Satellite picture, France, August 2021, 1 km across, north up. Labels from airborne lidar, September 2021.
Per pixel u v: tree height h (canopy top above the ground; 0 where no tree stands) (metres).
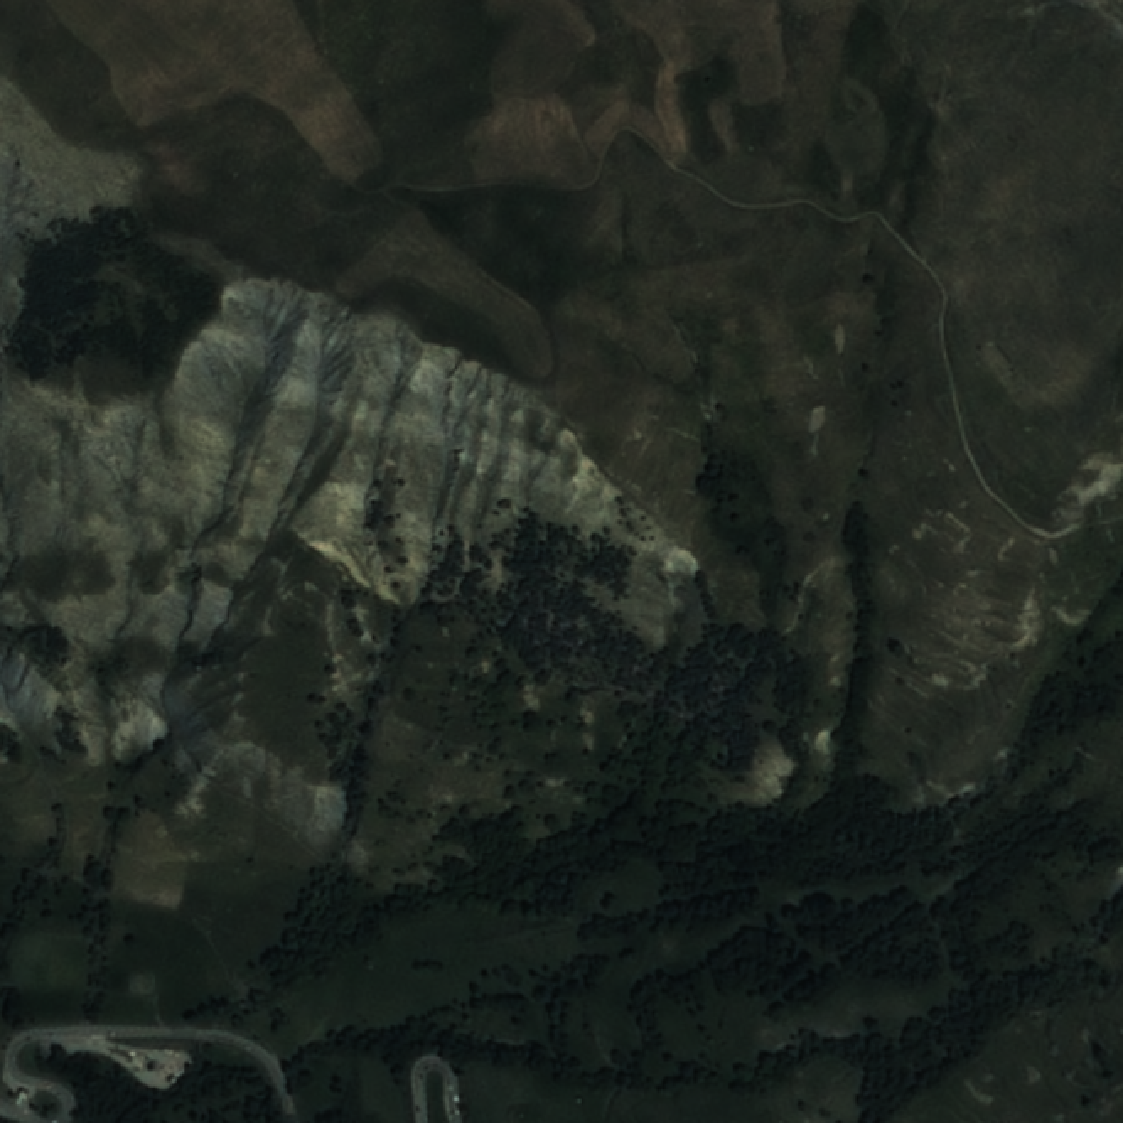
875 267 0
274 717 0
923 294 0
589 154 0
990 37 0
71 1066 7
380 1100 0
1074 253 0
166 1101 13
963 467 0
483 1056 14
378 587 0
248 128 0
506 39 0
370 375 0
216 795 0
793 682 9
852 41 0
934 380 0
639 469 0
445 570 10
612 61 0
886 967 12
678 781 10
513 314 0
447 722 6
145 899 0
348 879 9
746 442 0
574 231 0
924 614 0
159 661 0
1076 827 10
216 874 0
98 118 0
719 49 0
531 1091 0
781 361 0
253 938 0
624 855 11
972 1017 12
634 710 13
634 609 0
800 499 0
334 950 12
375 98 0
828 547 0
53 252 6
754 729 9
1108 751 0
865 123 0
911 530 0
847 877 12
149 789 0
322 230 0
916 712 0
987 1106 0
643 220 0
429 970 9
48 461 0
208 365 0
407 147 0
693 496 0
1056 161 0
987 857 8
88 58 0
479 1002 12
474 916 0
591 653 13
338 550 0
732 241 0
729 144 0
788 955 9
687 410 0
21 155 0
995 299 0
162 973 0
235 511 0
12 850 0
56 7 0
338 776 7
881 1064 15
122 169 0
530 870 13
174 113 0
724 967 16
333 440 0
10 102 0
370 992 0
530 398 0
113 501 0
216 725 0
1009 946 6
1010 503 0
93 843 0
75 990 0
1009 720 0
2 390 0
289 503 0
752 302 0
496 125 0
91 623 0
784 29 0
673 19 0
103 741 0
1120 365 0
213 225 0
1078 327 0
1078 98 0
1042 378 0
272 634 0
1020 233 0
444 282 0
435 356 0
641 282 0
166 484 0
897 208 0
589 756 7
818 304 0
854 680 12
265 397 0
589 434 0
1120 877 0
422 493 0
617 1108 0
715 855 11
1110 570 0
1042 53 0
